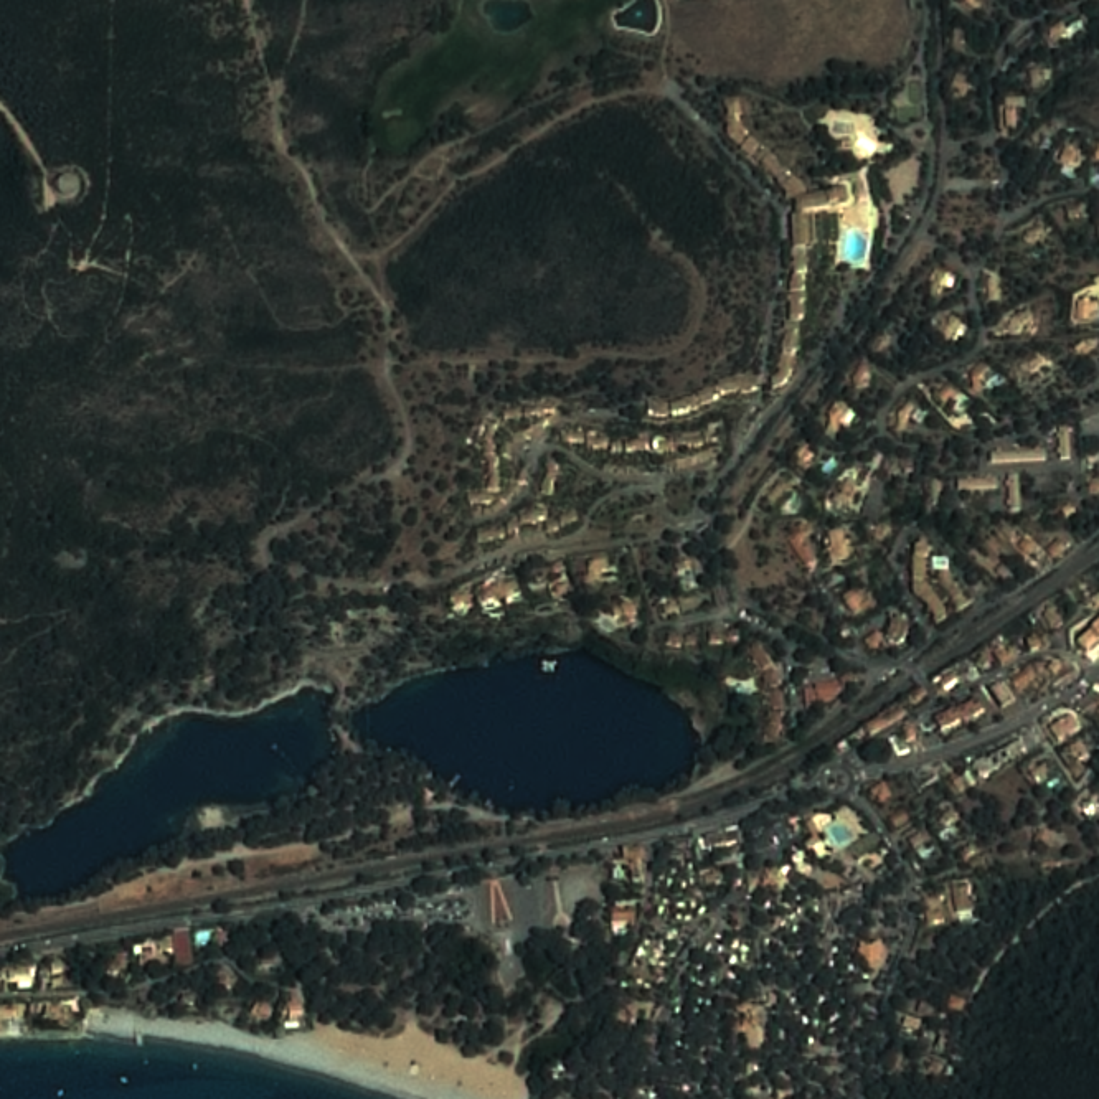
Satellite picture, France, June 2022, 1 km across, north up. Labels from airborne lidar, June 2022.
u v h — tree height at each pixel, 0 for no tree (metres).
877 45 0
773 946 6
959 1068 15
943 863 11
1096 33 9
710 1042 15
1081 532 13
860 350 15
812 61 0
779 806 18
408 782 11
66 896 9
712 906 11
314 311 0
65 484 6
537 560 16
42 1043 0
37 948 0
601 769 0
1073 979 9
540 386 12
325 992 17
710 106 12
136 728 21
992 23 13
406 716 0
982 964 13
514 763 0
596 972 17
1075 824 14
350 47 0
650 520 10
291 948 19
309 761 0
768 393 11
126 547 10
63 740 6
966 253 10
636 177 6
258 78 6
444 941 16
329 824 14
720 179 9
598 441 0
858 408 6
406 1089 0
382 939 18
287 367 0
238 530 7
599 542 0
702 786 0
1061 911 15
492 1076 0
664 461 9
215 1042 0
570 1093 10
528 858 10
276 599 16
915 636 15
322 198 6
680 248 6
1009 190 11
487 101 0
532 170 5
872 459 12
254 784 0
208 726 0
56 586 7
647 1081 14
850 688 17
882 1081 8
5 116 7
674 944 12
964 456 14
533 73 0
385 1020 16
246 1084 0
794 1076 15
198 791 0
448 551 0
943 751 0
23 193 7
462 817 13
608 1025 15
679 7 0
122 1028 0
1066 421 15
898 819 0
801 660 17
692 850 6
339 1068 0
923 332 13
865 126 0
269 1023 10
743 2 0
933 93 8
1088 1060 6
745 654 12
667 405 0
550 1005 0
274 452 9
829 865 11
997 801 12
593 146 6
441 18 7
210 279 0
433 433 0
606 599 13
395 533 13
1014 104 0
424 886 16
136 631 8
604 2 0
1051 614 0
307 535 10
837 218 0
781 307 7
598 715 0
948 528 7
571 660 0
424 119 0
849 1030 13
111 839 0
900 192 0
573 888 0
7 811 17
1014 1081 7
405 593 14
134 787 0
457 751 0
